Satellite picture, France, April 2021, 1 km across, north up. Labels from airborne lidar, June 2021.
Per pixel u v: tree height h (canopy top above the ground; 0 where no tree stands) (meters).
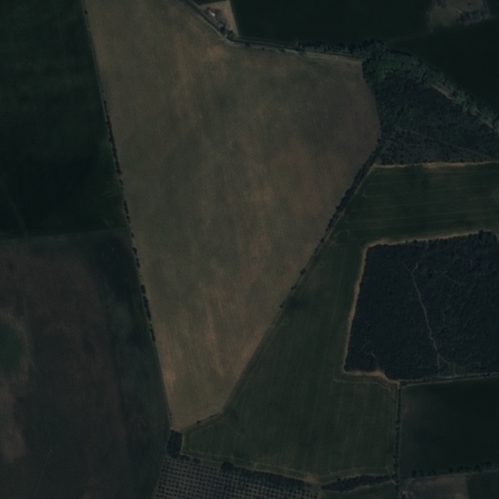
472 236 9
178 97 0
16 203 0
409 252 5
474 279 6
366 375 0
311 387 0
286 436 0
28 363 0
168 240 0
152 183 0
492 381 0
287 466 0
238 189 0
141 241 0
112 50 0
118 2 0
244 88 0
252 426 0
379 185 0
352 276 0
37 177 0
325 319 0
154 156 0
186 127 0
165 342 0
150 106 0
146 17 0
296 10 0
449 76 0
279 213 0
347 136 0
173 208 0
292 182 0
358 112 0
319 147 0
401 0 0
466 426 0
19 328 0
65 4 0
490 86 0
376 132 0
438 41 0
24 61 0
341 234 0
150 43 0
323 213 0
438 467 0
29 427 0
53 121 0
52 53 0
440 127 9
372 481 6
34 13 0
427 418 0
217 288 0
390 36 0
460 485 0
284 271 0
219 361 0
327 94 0
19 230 0
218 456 0
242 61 0
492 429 0
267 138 0
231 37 12
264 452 0
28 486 0
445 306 6
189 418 0
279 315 0
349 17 0
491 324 7
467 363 5
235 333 0
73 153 0
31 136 0
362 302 9
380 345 7
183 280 0
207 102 0
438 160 0
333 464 0
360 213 0
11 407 0
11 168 0
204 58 0
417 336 7
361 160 0
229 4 0
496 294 7
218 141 0
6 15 0
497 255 7
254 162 0
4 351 0
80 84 0
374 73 15
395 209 0
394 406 0
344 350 0
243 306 0
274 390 0
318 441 0
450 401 0
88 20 0
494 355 8
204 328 0
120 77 0
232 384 0
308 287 0
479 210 0
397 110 5
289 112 0
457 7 0
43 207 0
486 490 0
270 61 0
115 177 0
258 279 0
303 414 0
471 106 17
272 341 0
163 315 0
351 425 0
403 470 0
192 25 0
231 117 0
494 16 0
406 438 0
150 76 0
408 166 0
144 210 0
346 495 0
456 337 6
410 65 18
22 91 0
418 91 8
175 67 0
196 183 0
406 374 5
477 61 0
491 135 6
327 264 0
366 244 0
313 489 0
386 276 6
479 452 0
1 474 0
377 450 0
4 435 0
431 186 0
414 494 0
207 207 0
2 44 0
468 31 0
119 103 0
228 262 0
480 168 0
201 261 0
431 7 0
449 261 5
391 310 6
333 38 0
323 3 0
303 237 0
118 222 0
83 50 0
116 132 0
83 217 0
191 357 0
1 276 0
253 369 0
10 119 0
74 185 0
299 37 0
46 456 0
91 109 0
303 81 0
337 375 0
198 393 0
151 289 0
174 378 0
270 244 0
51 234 0
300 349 0
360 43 0
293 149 0
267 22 0
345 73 0
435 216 0
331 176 0
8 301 0
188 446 0
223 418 0
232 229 0
